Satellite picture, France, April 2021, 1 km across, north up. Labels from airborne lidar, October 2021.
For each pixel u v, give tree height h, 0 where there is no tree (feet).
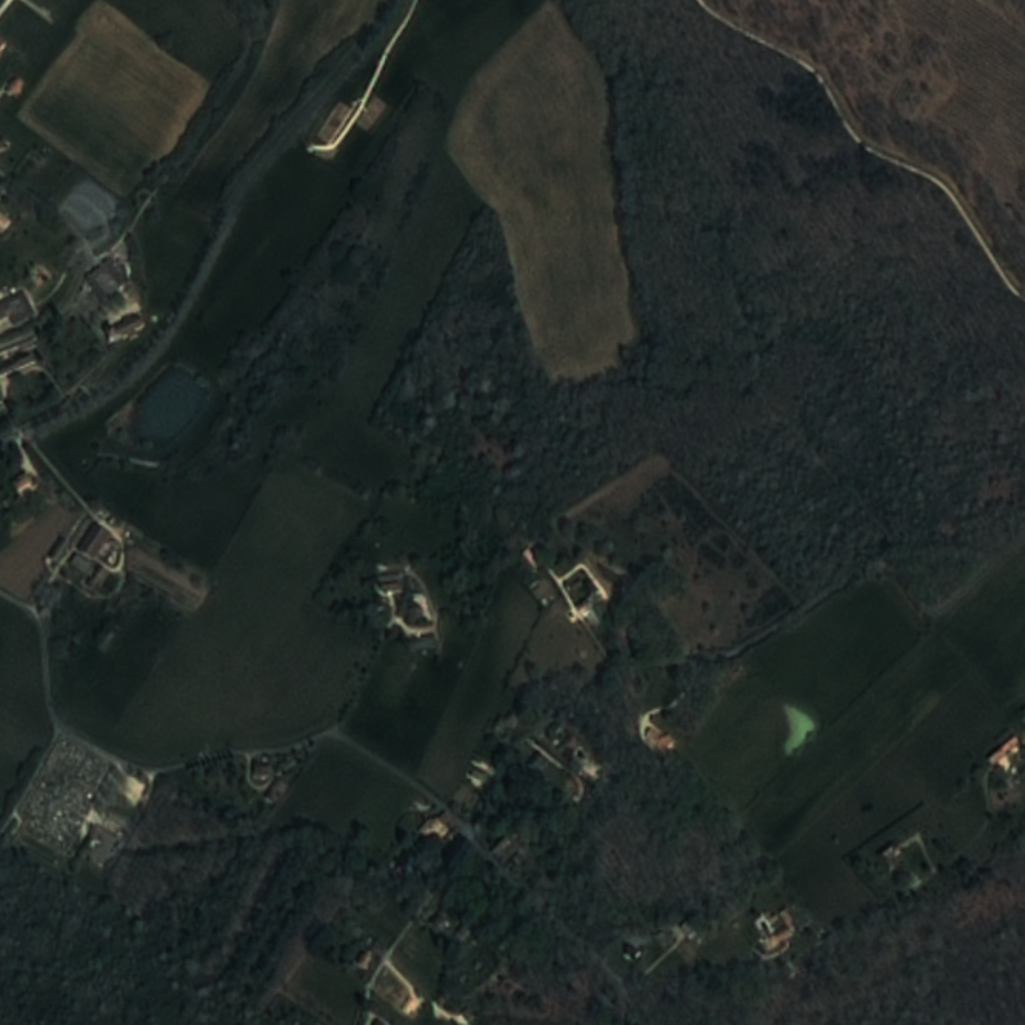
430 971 0
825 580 38
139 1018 24
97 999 37
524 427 44
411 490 19
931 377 50
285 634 0
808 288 73
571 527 49
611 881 72
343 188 0
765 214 63
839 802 0
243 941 40
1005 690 0
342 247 31
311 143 0
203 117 20
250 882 52
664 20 64
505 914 32
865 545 46
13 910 22
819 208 50
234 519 0
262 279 0
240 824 35
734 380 72
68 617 32
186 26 0
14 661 0
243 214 0
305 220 0
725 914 57
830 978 84
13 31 0
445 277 29
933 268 72
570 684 56
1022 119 0
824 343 35
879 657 0
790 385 46
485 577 50
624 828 75
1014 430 36
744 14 25
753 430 49
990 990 33
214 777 42
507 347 81
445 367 70
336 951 25
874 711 0
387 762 0
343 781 0
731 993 58
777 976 22
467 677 0
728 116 68
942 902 20
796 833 0
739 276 82
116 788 57
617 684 73
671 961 0
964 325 70
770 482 35
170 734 0
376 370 0
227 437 30
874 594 0
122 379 36
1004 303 55
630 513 0
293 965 52
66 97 0
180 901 38
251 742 0
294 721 0
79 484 0
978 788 0
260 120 0
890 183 77
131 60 0
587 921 53
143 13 0
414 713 0
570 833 65
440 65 0
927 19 0
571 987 38
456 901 69
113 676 0
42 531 0
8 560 0
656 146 73
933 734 0
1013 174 0
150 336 0
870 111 34
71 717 0
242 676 0
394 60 0
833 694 0
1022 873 31
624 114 73
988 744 0
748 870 60
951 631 0
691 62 55
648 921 21
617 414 62
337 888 63
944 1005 73
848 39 38
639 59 61
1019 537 31
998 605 0
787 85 56
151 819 57
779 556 27
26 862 19
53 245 0
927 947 82
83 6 0
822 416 18
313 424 0
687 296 71
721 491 25
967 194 48
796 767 0
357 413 0
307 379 27
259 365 20
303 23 0
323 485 0
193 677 0
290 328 35
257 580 0
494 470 35
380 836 0
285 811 0
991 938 35
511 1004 47
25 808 0
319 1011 36
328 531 0
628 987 45
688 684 68
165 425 0
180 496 0
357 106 0
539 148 0
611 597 0
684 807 72
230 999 39
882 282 51
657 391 43
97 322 33
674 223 51
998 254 45
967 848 0
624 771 66
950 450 34
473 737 0
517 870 24
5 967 30
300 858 48
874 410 22
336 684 0
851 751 0
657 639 75
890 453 18
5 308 0
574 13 72
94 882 0
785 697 0
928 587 76
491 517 39
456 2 0
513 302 22
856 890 0
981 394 61
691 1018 73
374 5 0
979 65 0
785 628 32
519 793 84
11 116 0
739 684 0
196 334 0
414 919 29
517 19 0
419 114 0
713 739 0
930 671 0
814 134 81
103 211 0
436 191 0
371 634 37
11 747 0
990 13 0
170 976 18
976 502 21
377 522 25
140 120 0
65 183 0
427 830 0
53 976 24
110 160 0
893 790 0
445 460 29
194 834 56
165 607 41
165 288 0
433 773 0
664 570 59
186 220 0
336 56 21
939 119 0
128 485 0
